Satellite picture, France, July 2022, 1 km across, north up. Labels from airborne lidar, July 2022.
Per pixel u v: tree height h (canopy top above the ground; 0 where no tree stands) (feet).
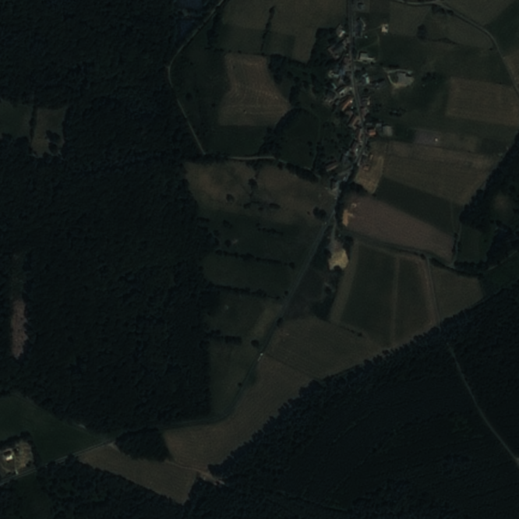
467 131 0
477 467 26
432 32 0
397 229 0
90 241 77
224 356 0
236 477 56
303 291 0
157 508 66
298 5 0
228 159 52
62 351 89
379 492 51
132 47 85
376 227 0
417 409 19
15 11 73
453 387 22
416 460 22
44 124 0
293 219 0
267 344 0
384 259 0
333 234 0
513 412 19
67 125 66
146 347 80
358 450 19
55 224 74
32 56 64
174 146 35
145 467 0
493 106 0
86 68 81
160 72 54
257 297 25
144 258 82
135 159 37
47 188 78
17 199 75
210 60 0
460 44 0
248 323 0
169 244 75
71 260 99
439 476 34
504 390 36
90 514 45
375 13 0
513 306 31
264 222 0
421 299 0
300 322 0
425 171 0
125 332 84
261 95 0
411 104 0
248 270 0
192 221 70
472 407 18
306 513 40
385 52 0
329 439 19
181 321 38
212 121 0
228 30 0
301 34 0
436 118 0
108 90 70
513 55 0
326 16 0
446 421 19
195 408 42
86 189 79
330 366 0
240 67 0
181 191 63
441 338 65
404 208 0
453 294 0
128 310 84
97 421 63
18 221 73
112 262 79
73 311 86
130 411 70
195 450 0
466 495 27
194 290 53
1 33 81
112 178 70
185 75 0
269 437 60
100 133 88
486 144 0
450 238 0
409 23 0
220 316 0
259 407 0
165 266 70
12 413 0
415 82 0
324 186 0
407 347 63
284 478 19
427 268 0
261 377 0
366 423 19
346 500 19
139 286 64
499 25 0
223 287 31
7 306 79
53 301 86
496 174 53
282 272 0
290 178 0
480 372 44
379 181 0
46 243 85
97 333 92
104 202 78
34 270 86
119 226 82
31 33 51
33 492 0
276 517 34
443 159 0
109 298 81
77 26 86
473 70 0
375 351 0
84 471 57
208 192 0
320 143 26
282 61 52
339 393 42
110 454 0
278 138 20
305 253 0
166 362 69
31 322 79
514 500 21
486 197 77
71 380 82
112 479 66
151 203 82
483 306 32
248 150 0
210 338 43
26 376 68
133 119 102
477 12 0
